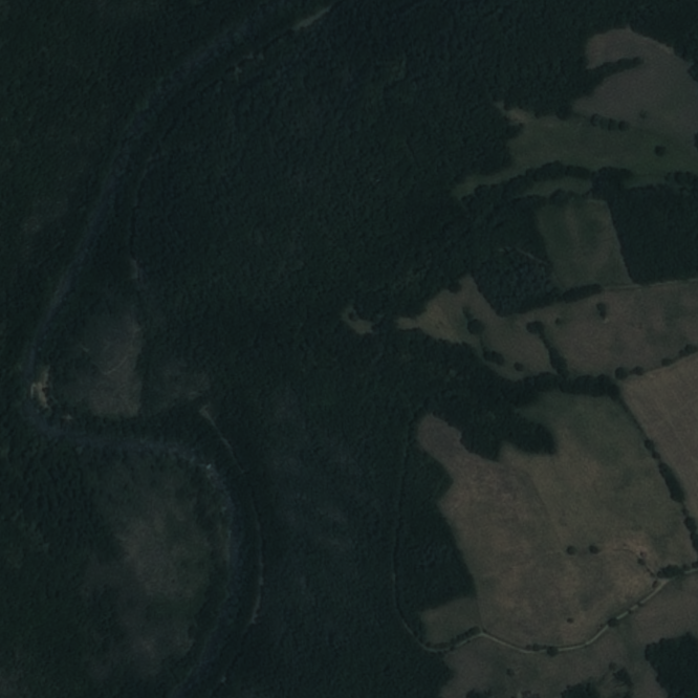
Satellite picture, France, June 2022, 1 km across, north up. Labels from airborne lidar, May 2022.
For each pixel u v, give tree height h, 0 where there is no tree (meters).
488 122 18
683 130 0
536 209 12
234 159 10
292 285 14
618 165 0
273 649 16
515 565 0
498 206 11
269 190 12
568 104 22
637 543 0
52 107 16
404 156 11
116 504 7
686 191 16
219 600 20
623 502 0
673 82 0
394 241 24
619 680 10
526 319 0
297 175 16
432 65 16
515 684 0
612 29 15
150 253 24
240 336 20
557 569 0
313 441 11
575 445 0
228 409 9
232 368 15
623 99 0
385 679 14
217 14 31
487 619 0
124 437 11
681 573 14
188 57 28
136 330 0
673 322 0
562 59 17
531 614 0
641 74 0
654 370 0
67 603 19
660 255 15
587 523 0
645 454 0
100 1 8
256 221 11
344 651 11
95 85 15
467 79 17
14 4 18
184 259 20
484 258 17
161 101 20
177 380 11
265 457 11
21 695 8
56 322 21
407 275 27
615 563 0
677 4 16
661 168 0
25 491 28
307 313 20
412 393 17
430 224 17
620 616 0
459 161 22
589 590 0
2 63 24
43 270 29
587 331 0
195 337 21
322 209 8
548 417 0
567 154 0
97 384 0
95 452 24
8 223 13
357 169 14
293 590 7
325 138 11
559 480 0
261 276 15
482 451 13
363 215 17
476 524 0
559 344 0
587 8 16
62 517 19
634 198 26
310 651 14
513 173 0
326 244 17
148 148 19
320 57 15
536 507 0
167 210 21
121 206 30
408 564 20
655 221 18
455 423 18
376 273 21
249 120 20
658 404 0
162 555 0
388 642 17
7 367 22
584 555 0
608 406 0
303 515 7
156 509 0
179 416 18
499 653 0
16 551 16
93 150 14
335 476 12
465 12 17
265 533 18
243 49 20
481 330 12
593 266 0
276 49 15
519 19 10
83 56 9
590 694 16
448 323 0
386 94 23
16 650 9
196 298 12
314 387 16
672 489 14
